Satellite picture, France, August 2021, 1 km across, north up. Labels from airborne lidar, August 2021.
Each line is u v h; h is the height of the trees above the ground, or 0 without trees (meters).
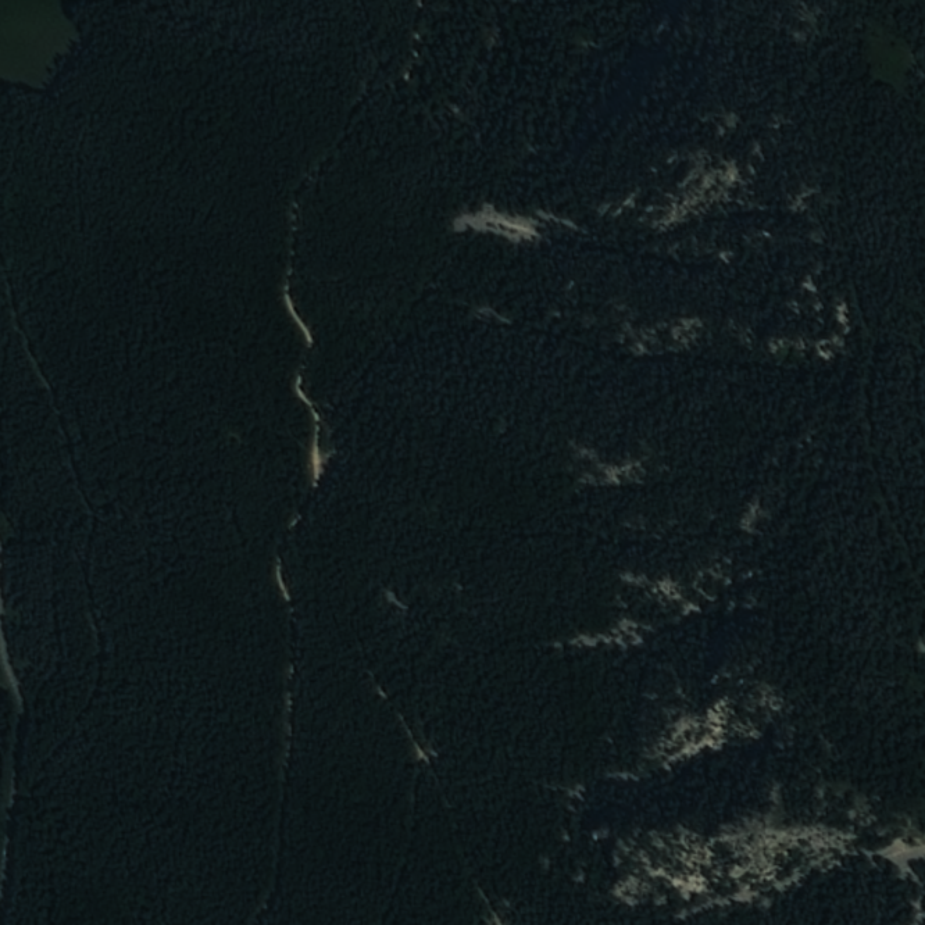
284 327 16
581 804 11
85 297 19
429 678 11
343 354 13
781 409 12
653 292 10
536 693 14
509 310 16
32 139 19
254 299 13
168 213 21
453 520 8
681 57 19
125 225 22
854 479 18
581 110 13
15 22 0
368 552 13
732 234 11
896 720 15
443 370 23
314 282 12
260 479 20
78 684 22
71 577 22
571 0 7
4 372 12
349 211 14
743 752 9
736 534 9
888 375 14
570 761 13
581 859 10
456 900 10
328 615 21
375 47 26
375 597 15
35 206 18
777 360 9
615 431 12
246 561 12
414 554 15
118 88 22
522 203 8
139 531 27
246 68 23
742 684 14
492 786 10
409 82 12
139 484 25
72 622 20
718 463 11
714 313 8
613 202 9
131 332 22
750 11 10
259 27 23
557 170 7
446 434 10
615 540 13
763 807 8
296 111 27
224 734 19
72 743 17
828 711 8
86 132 18
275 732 15
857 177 11
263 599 16
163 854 23
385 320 10
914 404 6
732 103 9
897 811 7
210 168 21
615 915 11
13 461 23
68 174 23
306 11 20
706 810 16
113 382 21
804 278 9
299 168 20
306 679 15
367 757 14
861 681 14
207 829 23
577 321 7
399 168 16
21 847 18
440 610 11
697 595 17
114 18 27
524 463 14
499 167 21
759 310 16
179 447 23
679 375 13
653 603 6
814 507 11
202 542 21
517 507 12
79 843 24
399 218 13
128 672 26
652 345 6
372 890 17
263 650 24
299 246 15
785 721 6
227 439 16
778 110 9
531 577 14
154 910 17
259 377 19
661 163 8
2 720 23
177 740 14
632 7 21
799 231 11
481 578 12
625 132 15
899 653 6
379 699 14
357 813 20
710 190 7
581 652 9
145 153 21
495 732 12
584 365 15
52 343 18
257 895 17
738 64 11
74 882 25
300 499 13
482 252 10
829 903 18
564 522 17
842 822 7
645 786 14
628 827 9
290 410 21
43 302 15
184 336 21
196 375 16
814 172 8
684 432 15
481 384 11
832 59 8
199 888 20
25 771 20
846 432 10
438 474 7
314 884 18
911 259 9
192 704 21
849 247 8
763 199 9
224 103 27
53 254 14
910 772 7
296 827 24
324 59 23
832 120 12
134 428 26
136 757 24
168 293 24
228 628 23
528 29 10
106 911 26
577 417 14
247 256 21
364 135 23
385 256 18
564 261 15
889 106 16
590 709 12
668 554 16
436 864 18
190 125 28
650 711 9
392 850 17
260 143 25
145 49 18
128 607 20
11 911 21
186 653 24
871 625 15
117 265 21
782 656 14
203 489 28
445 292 13
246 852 22
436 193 15
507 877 16
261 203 19
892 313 12
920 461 12
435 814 12
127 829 24
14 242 19
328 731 14
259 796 19
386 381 22
